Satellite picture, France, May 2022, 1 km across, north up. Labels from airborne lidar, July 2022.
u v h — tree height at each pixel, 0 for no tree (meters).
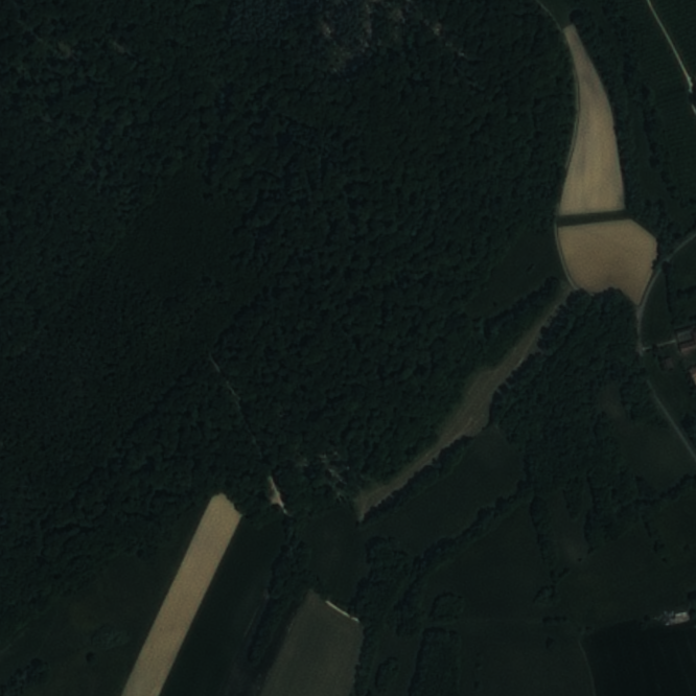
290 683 0
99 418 23
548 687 0
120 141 32
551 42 35
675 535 0
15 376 18
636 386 26
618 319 23
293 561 15
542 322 0
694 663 0
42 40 32
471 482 0
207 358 14
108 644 7
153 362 16
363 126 28
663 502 18
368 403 29
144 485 32
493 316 0
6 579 23
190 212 16
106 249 17
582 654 0
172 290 16
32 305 24
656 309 0
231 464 28
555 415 15
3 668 0
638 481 13
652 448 0
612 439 11
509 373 0
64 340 20
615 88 24
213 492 19
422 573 20
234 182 23
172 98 30
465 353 24
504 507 20
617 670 0
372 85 31
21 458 19
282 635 0
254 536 0
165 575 0
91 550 31
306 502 25
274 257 21
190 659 0
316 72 32
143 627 0
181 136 25
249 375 28
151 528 27
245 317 28
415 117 27
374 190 28
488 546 0
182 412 10
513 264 0
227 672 0
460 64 29
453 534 0
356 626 0
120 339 19
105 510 24
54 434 15
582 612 0
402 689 0
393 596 18
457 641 19
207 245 14
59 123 24
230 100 29
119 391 18
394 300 33
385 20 24
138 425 27
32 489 20
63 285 18
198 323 15
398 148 25
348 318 31
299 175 33
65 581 26
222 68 26
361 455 25
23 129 23
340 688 0
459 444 13
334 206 33
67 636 0
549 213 21
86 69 28
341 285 29
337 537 0
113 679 0
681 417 0
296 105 27
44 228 21
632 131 9
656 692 0
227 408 29
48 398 18
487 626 0
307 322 32
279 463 25
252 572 0
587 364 9
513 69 31
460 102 27
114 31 30
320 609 0
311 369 29
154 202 13
